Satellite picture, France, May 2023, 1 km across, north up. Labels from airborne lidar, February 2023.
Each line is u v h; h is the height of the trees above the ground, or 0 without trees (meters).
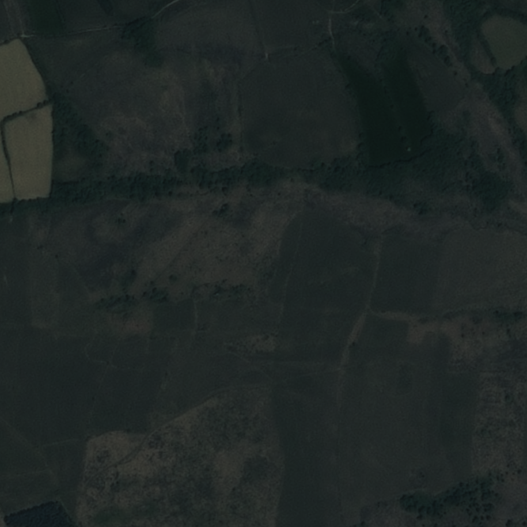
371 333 0
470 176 8
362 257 0
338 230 0
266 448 0
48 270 0
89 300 0
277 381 0
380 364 0
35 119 0
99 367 0
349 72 0
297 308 0
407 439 0
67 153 0
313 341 0
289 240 0
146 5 0
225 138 9
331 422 0
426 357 0
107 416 0
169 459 0
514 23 0
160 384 0
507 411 0
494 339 0
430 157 10
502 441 0
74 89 0
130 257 0
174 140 0
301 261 0
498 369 0
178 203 0
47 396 0
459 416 0
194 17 0
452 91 0
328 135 0
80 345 0
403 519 0
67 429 0
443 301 0
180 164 9
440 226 0
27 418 0
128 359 0
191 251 0
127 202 0
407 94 0
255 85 0
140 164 0
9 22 0
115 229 0
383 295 0
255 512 0
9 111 0
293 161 0
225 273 0
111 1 0
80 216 0
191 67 0
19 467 0
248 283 0
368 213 0
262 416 0
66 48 0
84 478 0
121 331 0
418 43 0
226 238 0
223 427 0
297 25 0
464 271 0
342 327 0
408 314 0
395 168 10
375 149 0
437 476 0
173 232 0
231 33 0
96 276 0
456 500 14
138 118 0
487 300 0
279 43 0
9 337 0
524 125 0
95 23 0
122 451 0
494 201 8
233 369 0
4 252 0
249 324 0
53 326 0
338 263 0
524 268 0
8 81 0
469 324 0
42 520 15
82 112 0
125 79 0
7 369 0
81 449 0
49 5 0
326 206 0
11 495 0
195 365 0
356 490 0
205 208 0
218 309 0
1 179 0
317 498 0
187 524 0
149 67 0
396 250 0
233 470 0
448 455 0
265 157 0
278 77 0
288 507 0
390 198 11
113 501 0
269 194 0
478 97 0
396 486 0
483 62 0
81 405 0
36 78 0
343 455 0
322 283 0
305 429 0
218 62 0
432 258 0
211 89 0
